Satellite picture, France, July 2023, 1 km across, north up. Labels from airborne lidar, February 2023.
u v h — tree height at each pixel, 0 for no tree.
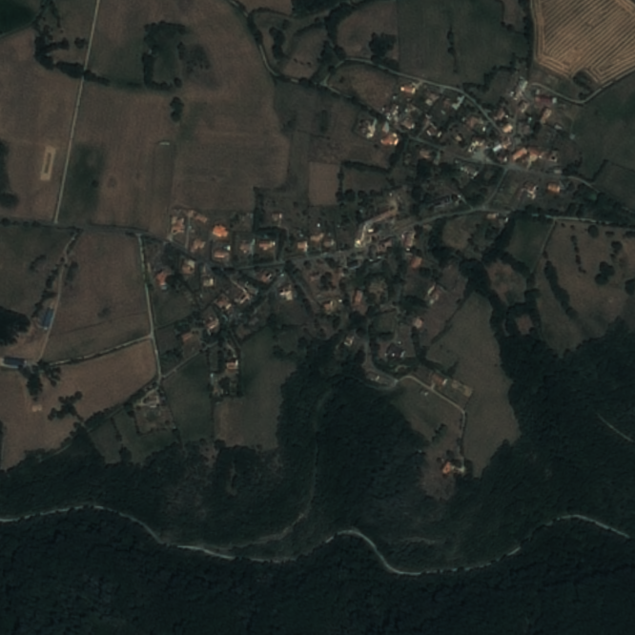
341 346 6
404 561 9
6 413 0
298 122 0
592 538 14
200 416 0
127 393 0
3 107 0
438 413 0
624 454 17
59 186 0
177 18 0
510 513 15
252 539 9
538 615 26
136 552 25
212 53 0
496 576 25
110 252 0
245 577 9
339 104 0
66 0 0
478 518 9
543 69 0
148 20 0
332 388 8
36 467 5
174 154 0
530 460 6
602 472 13
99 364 0
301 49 0
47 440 0
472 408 0
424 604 25
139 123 0
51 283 9
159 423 0
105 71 0
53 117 0
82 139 0
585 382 12
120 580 24
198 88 0
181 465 10
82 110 0
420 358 9
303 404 23
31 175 0
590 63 0
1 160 0
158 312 0
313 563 21
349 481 8
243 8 13
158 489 16
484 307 0
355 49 0
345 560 19
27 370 12
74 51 0
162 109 0
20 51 0
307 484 13
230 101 0
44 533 25
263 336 0
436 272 8
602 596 24
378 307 8
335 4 20
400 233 0
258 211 9
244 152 0
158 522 9
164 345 0
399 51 0
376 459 12
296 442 20
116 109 0
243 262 0
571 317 14
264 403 0
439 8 0
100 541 23
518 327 23
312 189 0
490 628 15
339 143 0
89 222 0
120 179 0
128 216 0
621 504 7
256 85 0
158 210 0
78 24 0
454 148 0
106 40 0
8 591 7
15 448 0
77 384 0
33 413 0
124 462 10
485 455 0
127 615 20
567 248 0
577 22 0
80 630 24
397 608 24
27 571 19
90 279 0
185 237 0
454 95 0
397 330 0
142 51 0
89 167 0
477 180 8
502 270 0
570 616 22
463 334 0
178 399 0
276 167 0
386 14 0
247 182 0
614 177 0
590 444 7
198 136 0
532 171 0
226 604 21
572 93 0
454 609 21
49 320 0
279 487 12
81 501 15
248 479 10
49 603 16
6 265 0
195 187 0
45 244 0
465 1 0
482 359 0
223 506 16
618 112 0
